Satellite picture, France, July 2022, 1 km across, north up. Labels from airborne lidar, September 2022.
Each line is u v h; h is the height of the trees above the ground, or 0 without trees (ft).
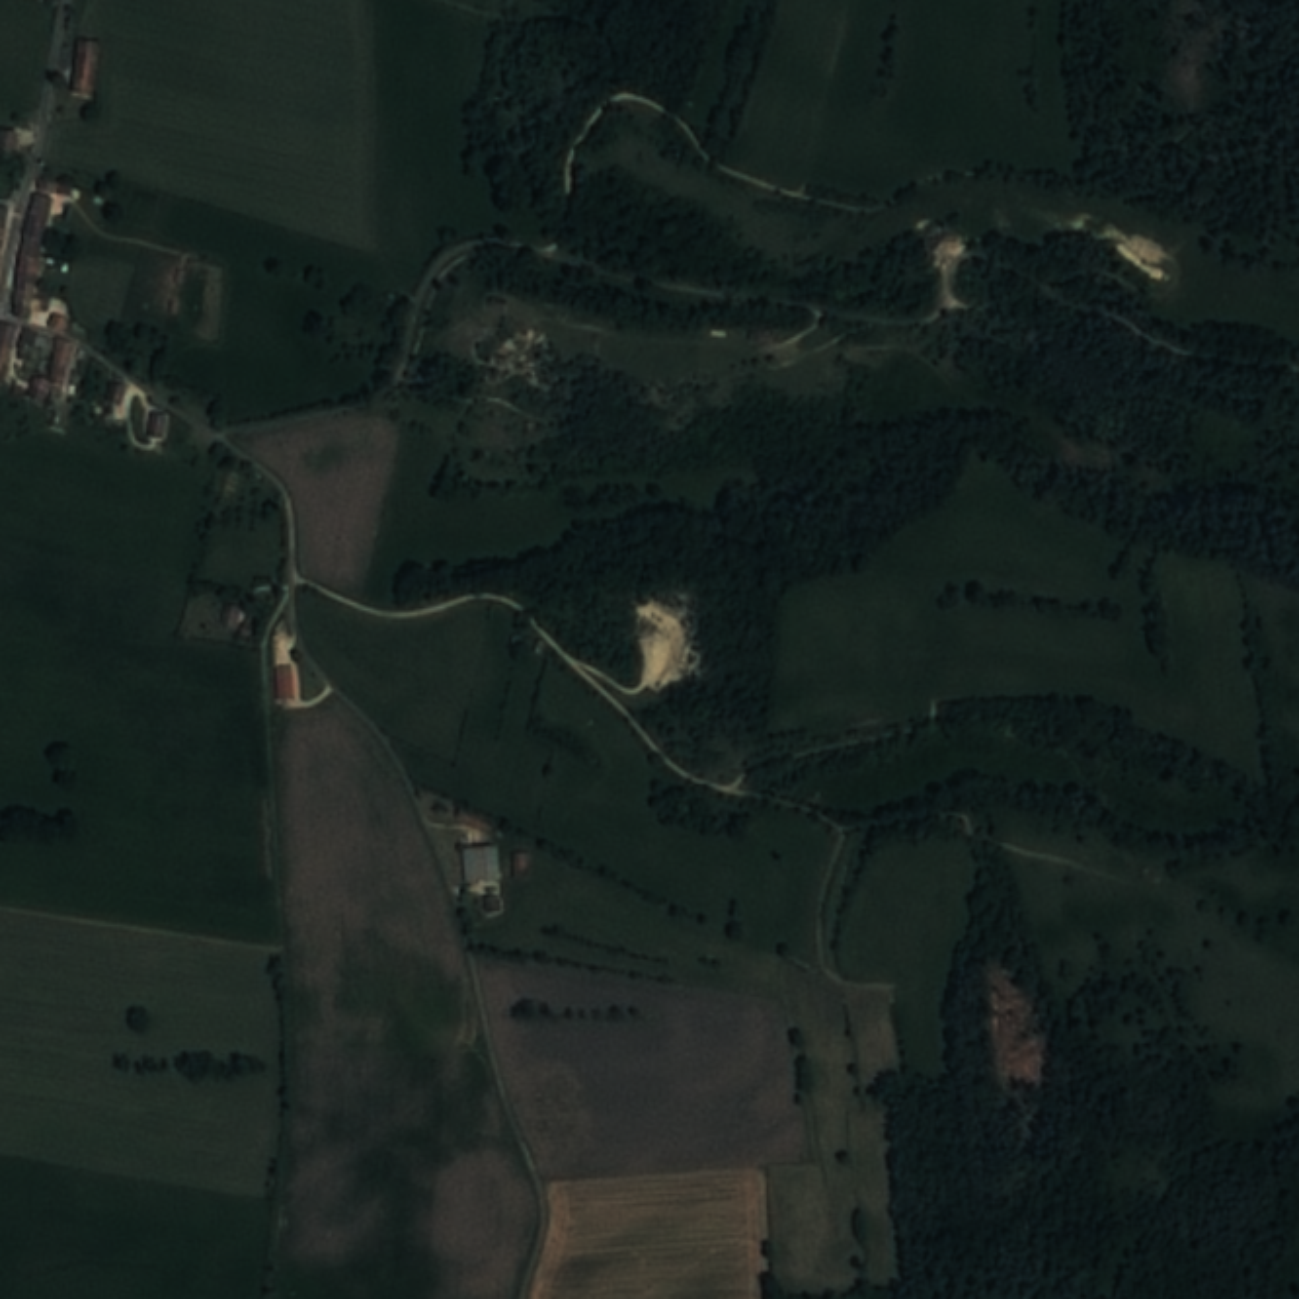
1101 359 58
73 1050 0
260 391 0
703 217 36
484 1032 0
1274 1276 28
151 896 0
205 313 0
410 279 0
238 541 0
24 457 0
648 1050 0
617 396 47
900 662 0
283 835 0
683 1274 0
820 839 0
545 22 36
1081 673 0
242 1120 0
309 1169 0
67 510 0
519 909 0
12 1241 0
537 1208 0
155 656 0
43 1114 0
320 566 0
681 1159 0
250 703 0
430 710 0
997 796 46
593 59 54
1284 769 64
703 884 0
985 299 23
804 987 0
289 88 0
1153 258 0
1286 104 62
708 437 33
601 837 0
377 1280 0
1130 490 75
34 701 0
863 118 0
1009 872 21
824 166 0
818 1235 0
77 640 0
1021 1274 58
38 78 0
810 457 37
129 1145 0
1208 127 66
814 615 0
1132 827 48
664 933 0
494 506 0
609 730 0
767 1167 0
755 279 52
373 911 0
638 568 36
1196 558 38
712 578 41
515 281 32
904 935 0
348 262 0
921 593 0
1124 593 0
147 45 0
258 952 0
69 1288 0
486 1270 0
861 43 0
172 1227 0
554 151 56
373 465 0
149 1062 46
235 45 0
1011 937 48
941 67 0
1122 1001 35
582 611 23
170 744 0
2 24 0
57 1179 0
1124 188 61
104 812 0
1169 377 96
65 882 0
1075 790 55
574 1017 41
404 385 22
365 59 0
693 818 33
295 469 0
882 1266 0
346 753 0
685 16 73
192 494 0
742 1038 0
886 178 0
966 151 0
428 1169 0
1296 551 44
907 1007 0
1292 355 47
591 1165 0
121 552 0
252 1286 0
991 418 78
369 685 0
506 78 37
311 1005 0
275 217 0
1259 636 39
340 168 0
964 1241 55
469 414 21
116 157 0
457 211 0
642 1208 0
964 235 0
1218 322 23
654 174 0
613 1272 0
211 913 0
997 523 0
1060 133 0
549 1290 0
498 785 0
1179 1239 33
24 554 0
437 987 0
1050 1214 50
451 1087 0
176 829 0
